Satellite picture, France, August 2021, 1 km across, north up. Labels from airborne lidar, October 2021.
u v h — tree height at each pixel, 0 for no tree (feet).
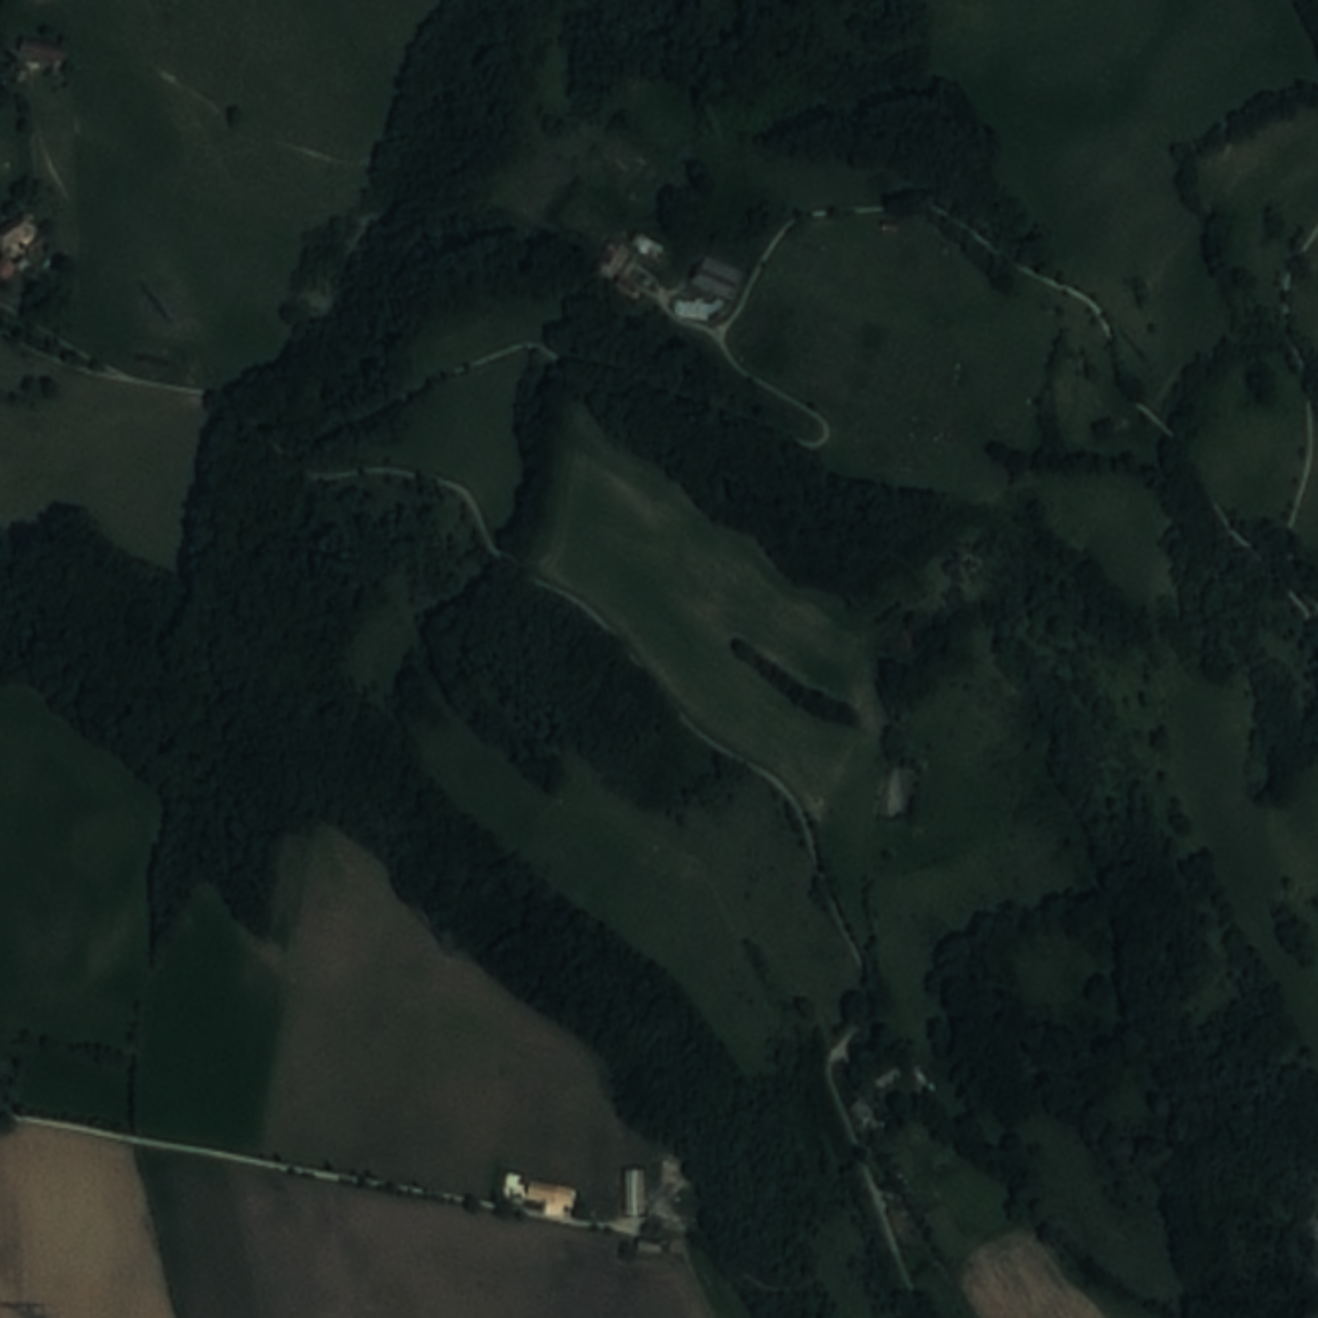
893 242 0
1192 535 57
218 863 59
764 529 61
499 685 22
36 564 113
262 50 0
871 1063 78
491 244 54
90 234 0
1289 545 47
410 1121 0
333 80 0
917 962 0
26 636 79
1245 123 45
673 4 19
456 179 75
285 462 59
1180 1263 49
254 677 55
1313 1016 0
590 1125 0
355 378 59
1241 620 20
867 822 0
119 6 0
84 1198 0
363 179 0
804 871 0
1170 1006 59
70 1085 0
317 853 0
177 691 94
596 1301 0
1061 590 52
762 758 0
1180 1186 63
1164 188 0
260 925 60
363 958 0
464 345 0
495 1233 0
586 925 61
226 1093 0
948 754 0
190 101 0
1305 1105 70
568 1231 0
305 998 0
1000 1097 74
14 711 0
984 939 70
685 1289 0
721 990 0
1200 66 0
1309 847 0
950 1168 0
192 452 0
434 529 28
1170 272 0
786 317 0
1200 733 0
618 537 0
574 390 46
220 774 81
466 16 57
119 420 0
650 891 0
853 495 93
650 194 0
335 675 46
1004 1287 0
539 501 66
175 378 0
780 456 47
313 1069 0
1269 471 0
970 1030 82
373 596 33
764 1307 40
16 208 21
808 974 0
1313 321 0
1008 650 53
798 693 46
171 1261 0
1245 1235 24
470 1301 0
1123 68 0
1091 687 47
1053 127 0
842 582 52
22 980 0
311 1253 0
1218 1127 54
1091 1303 0
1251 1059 28
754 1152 31
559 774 47
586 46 33
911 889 0
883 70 26
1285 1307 24
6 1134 0
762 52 81
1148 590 0
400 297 75
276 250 0
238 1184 0
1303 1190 40
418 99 60
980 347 0
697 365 83
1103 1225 0
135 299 0
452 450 0
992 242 43
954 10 0
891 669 59
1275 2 0
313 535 29
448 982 0
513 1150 0
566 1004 52
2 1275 0
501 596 59
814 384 0
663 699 56
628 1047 41
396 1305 0
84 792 0
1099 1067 84
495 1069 0
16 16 0
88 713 79
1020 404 0
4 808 0
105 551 51
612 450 0
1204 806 0
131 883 0
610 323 66
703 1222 30
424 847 62
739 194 0
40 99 0
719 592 0
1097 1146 56
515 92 73
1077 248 0
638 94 0
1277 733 58
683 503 0
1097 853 50
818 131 77
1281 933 34
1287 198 0
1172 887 67
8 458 0
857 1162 31
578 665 61
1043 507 40
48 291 36
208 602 100
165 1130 0
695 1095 48
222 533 98
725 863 0
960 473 0
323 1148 0
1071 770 76
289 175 0
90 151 0
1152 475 52
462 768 0
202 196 0
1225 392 0
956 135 68
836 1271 0
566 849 0
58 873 0
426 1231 0
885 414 0
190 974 0
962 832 0
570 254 54
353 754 64
